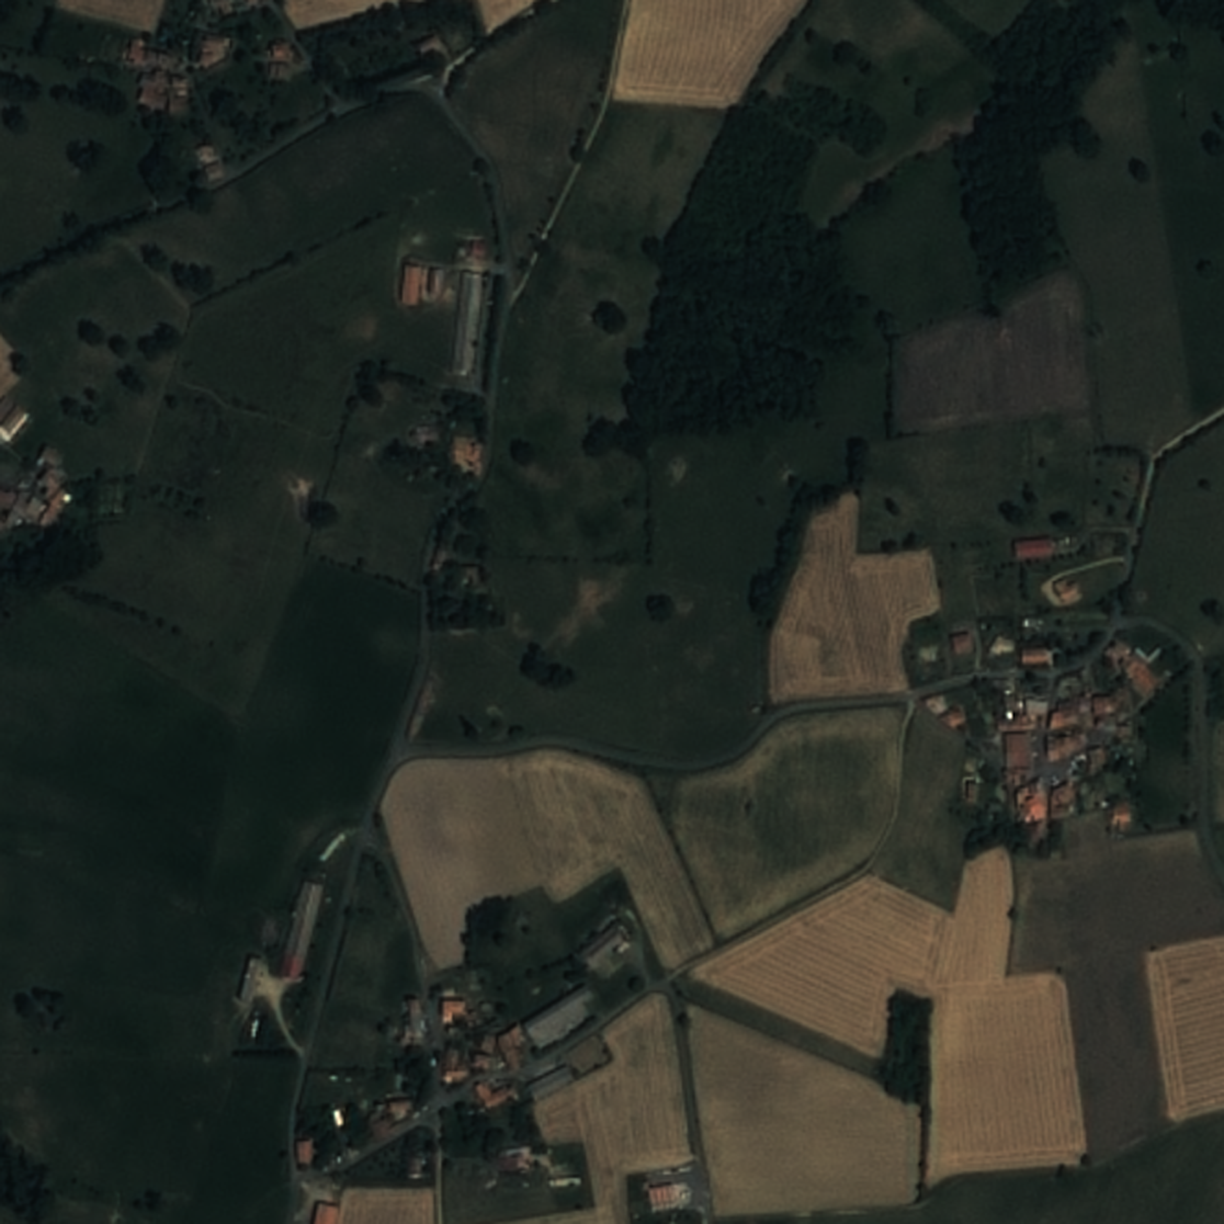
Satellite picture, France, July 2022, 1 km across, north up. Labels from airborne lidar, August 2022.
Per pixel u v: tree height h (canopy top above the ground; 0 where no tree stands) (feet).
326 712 0
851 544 0
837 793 0
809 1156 0
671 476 0
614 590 0
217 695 0
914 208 0
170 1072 0
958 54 0
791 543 54
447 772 0
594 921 0
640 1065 0
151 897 0
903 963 0
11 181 0
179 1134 0
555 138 0
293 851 0
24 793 0
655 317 46
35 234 0
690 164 0
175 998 0
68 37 0
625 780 0
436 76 33
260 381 0
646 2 0
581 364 0
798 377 73
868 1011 0
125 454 0
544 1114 0
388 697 0
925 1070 32
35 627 0
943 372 0
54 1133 0
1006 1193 0
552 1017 0
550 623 0
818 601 0
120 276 0
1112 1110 0
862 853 0
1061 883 0
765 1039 0
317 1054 0
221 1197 0
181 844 0
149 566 0
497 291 34
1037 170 43
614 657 0
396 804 0
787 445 0
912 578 0
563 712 0
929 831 0
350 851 0
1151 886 0
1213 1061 0
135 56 0
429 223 0
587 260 0
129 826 0
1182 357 0
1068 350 0
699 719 0
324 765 0
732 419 33
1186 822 52
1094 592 0
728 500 0
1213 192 0
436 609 41
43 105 0
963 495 0
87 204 0
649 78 0
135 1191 0
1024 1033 0
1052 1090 0
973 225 56
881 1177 0
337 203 0
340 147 0
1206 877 0
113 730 0
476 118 0
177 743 0
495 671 0
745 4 0
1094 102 0
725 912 0
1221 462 0
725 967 0
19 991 0
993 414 0
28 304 0
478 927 39
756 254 71
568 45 0
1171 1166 0
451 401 40
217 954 0
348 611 0
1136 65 0
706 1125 0
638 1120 0
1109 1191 0
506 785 0
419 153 0
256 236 0
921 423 0
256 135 58
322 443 0
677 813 0
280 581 0
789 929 0
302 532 0
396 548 0
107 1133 0
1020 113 70
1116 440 0
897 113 0
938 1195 0
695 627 0
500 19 0
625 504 22
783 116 19
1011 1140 0
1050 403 0
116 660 0
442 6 53
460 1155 0
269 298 0
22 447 0
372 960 0
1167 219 0
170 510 18
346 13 0
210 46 0
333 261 0
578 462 0
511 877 0
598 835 0
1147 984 0
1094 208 0
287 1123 0
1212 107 0
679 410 67
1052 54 83
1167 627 0
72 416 46
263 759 0
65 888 0
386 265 0
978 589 0
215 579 0
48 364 0
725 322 101
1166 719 0
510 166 0
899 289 0
